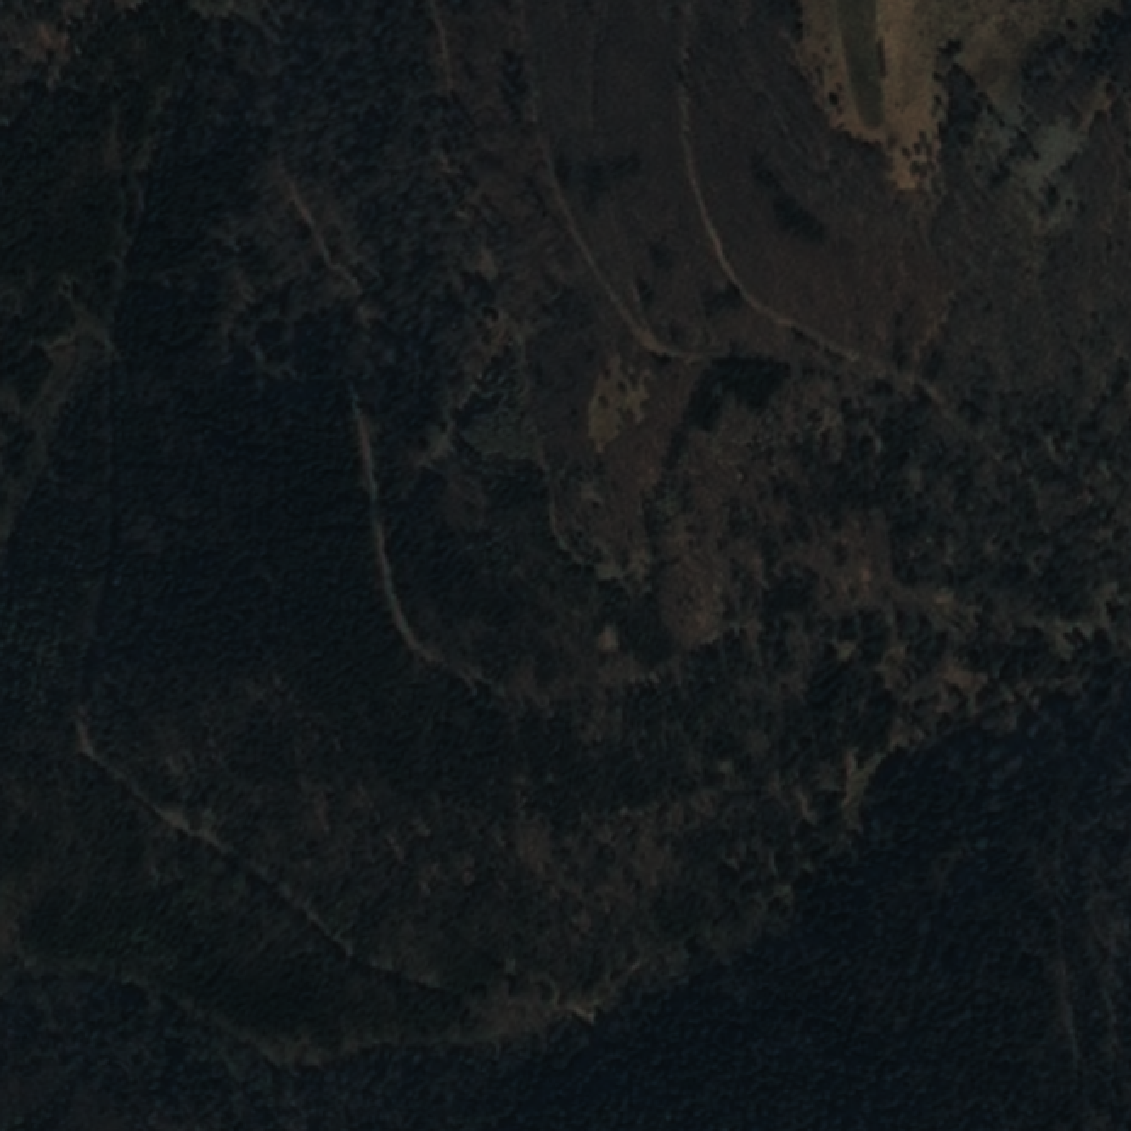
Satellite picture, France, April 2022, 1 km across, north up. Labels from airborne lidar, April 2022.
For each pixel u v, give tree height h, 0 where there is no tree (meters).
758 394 14
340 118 19
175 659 28
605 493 10
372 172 24
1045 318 24
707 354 14
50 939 26
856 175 14
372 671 23
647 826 29
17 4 24
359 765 24
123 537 20
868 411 26
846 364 14
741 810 25
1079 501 29
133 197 20
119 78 18
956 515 30
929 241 9
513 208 6
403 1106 33
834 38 0
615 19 12
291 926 23
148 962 22
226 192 16
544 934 29
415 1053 17
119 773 19
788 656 31
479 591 16
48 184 27
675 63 15
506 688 15
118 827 25
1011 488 29
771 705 28
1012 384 22
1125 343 21
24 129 28
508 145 12
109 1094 23
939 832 28
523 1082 26
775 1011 27
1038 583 28
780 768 25
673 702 19
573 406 9
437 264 23
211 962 21
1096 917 17
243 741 23
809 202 20
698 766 23
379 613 22
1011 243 21
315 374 20
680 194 15
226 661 24
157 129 15
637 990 22
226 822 17
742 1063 31
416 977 18
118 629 21
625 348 13
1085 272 23
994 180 16
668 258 15
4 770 17
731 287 14
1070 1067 23
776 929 17
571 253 15
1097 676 21
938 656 14
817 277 16
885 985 25
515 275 13
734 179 13
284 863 25
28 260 20
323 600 19
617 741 24
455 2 15
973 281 23
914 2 0
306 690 18
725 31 14
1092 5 0
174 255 21
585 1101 29
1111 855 7
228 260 21
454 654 13
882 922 25
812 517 19
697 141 13
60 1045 25
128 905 22
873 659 27
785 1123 31
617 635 9
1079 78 7
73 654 24
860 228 19
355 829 23
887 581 15
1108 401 22
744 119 12
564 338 14
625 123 15
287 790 26
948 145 11
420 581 15
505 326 0
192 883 23
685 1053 29
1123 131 11
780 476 20
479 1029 27
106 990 29
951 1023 25
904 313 11
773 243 15
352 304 9
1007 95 0
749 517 18
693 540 20
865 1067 29
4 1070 27
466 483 6
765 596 28
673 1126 30
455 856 26
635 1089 33
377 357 9
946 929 20
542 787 27
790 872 30
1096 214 15
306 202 13
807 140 14
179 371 23
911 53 0
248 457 23
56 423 20
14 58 20
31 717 21
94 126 30
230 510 23
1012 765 25
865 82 0
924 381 16
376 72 37
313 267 20
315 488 19
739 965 20
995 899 23
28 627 27
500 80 9
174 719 22
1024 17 0
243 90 12
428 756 23
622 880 26
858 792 0
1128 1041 16
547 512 10
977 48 0
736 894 18
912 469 23
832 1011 26
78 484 20
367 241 23
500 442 17
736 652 27
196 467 21
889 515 16
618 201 17
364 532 20
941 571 27
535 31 14
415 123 25
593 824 27
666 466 15
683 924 26
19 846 22
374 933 22
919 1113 32
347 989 18
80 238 24
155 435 20
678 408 13
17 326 25
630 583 13
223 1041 23
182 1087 26
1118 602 13
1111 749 17
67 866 24
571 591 13
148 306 20
